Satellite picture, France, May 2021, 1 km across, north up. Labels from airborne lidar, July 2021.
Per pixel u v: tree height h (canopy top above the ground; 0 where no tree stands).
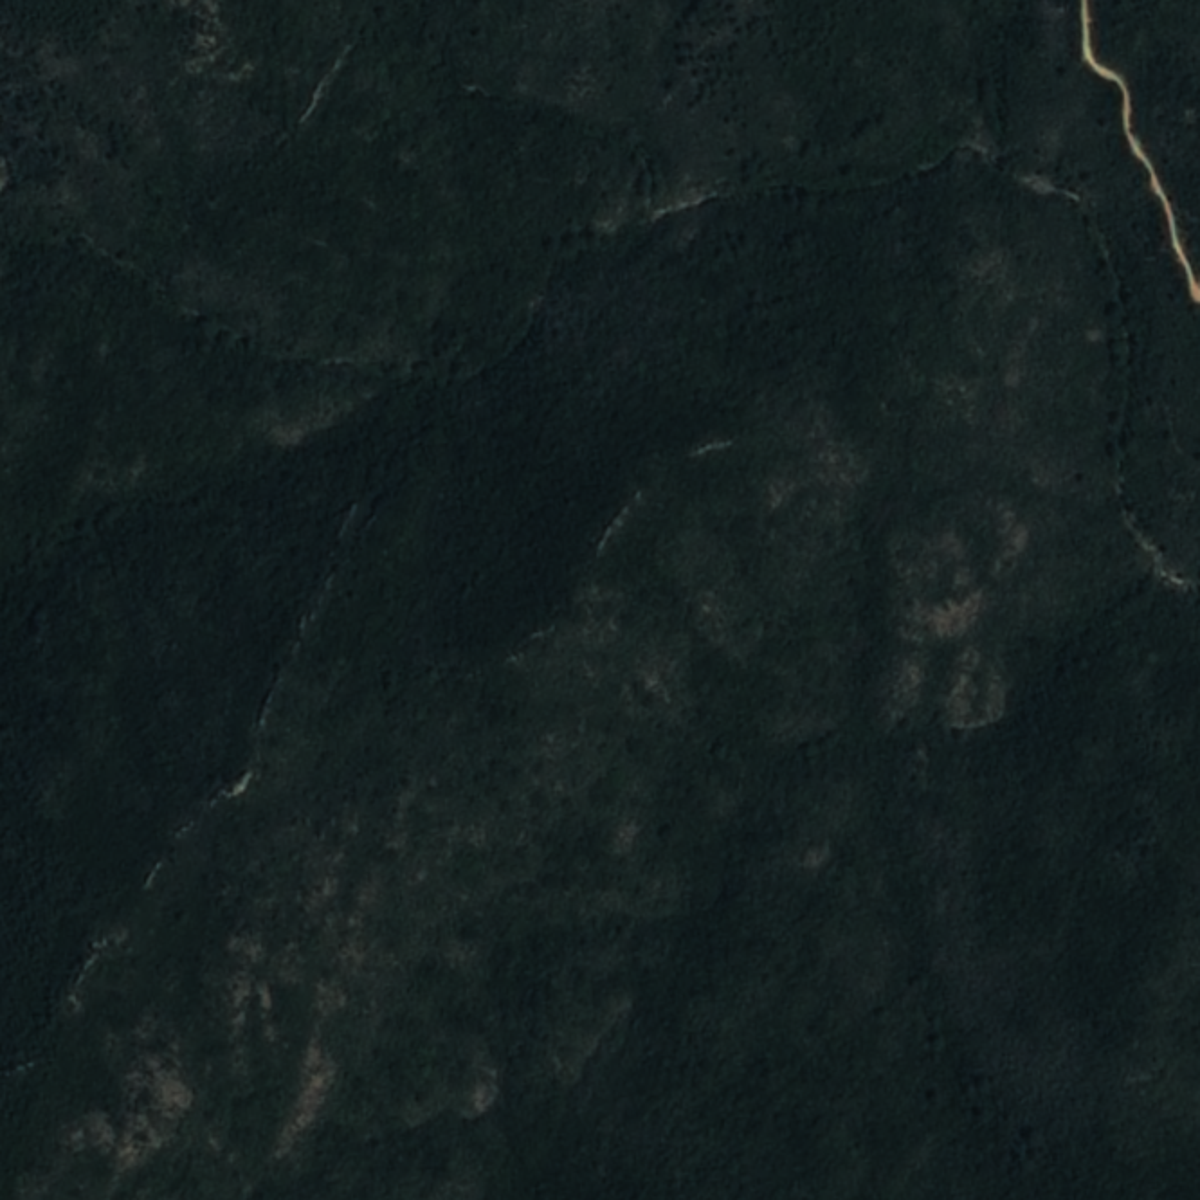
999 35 11
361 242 8
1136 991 6
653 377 7
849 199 8
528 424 9
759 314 20
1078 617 7
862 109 7
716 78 11
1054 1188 7
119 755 5
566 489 10
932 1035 10
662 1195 9
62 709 6
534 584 9
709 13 16
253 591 9
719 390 7
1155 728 8
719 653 8
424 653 7
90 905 12
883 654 10
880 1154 10
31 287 6
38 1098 10
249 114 6
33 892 10
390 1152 6
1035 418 6
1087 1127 5
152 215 7
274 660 7
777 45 15
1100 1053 8
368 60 6
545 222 9
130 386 6
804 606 6
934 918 7
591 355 10
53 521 14
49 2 13
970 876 8
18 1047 11
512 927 10
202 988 6
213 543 15
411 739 7
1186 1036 9
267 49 9
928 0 5
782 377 6
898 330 9
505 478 8
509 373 12
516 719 6
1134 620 10
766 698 6
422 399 13
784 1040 5
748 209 7
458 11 8
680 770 7
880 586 11
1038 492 6
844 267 8
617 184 7
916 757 6
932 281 10
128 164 14
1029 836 6
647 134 6
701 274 10
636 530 7
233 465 9
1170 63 10
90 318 14
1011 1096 7
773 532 6
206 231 7
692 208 8
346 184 7
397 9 13
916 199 7
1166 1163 7
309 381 7
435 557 6
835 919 7
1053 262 7
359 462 13
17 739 7
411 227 8
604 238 9
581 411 7
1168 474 6
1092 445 7
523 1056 8
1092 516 8
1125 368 21
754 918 8
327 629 9
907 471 6
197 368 7
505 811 9
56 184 9
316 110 7
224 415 7
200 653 6
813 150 18
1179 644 6
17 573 18
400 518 7
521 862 6
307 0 8
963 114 7
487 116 11
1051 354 8
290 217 6
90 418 7
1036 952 6
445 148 8
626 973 8
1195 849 8
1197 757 8
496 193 10
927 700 6
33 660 9
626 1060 7
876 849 8
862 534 6
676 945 6
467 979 9
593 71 7
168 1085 0
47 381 8
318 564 10
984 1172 13
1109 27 6
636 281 8
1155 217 8
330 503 9
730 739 12
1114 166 8
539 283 7
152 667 7
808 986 6
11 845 6
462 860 11
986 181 10
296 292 10
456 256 8
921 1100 10
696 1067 8
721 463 6
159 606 7
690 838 5
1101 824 8
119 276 13
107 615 7
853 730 9
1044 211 7
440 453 10
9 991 15
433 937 9
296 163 8
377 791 8
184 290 7
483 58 9
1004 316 6
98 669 9
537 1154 11
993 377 6
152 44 7
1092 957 6
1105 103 6
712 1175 7
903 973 8
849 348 9
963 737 22
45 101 10
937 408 6
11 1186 5
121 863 6
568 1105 6
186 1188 5
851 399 10
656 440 7
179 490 14
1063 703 13
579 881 6
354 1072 6
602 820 6
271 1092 6
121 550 13
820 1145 8
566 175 6
